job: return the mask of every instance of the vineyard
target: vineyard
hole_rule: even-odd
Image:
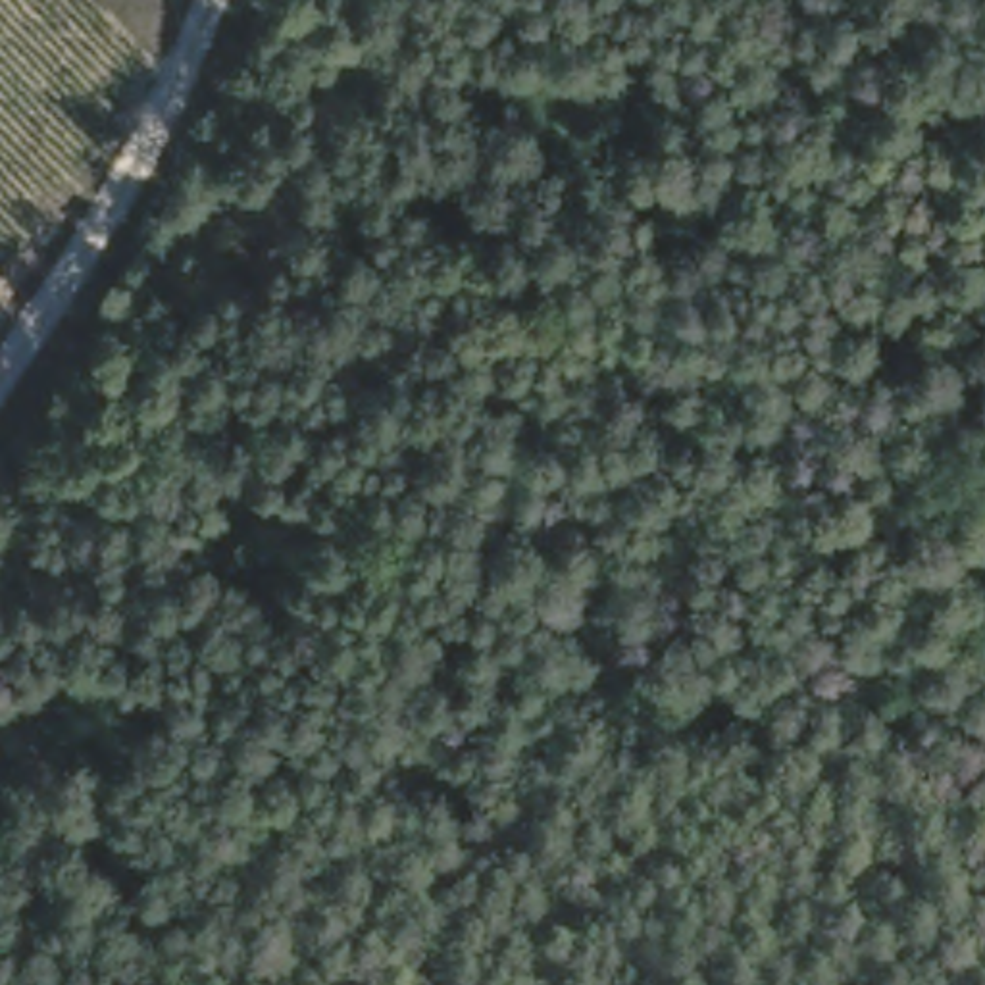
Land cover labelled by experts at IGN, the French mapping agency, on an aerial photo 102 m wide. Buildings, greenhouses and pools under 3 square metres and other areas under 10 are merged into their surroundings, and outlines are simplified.
[[[58,258],[77,239],[77,227],[92,215],[92,204],[81,200],[88,173],[77,165],[81,142],[92,139],[127,146],[127,139],[142,127],[150,92],[158,88],[150,65],[158,50],[173,54],[192,0],[0,0],[0,346],[23,323],[23,308],[35,300],[35,292],[54,273]]]

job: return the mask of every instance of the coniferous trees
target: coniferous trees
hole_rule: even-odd
[[[573,331],[554,354],[539,354],[539,339],[527,339],[519,327],[519,319],[531,319],[539,312],[569,312],[573,319]],[[358,546],[373,543],[377,535],[377,512],[404,519],[419,493],[431,493],[435,504],[450,504],[462,493],[466,469],[508,473],[512,454],[531,458],[539,462],[539,469],[531,477],[519,523],[535,527],[535,558],[523,562],[512,573],[512,581],[493,589],[477,643],[450,643],[442,650],[439,666],[431,669],[431,685],[442,696],[435,716],[412,727],[385,727],[381,739],[369,746],[354,743],[350,766],[358,781],[346,793],[346,808],[319,812],[308,823],[308,835],[296,850],[285,850],[285,839],[277,835],[296,820],[292,804],[281,804],[277,812],[254,812],[254,800],[227,800],[219,820],[235,823],[235,839],[215,843],[215,858],[223,866],[235,862],[235,900],[196,900],[173,908],[162,923],[127,923],[127,935],[135,935],[142,947],[165,943],[169,950],[200,954],[208,985],[985,985],[985,673],[958,673],[943,666],[950,662],[950,650],[966,627],[985,623],[985,469],[966,473],[962,481],[970,504],[977,508],[977,523],[966,535],[966,546],[927,539],[920,527],[908,523],[916,481],[908,473],[923,466],[927,454],[950,454],[962,439],[985,431],[985,0],[227,0],[215,38],[192,77],[189,100],[165,127],[165,146],[158,154],[154,173],[142,177],[127,215],[108,231],[108,246],[100,250],[96,265],[81,277],[81,289],[69,300],[65,316],[42,339],[38,354],[0,404],[0,912],[19,912],[19,935],[12,950],[15,966],[27,966],[38,954],[38,947],[65,927],[65,920],[92,923],[115,897],[123,904],[139,904],[146,897],[142,873],[127,862],[127,854],[112,850],[123,839],[123,823],[112,816],[112,800],[135,777],[139,750],[154,735],[165,735],[173,727],[165,716],[154,712],[162,677],[150,673],[146,658],[139,654],[142,635],[150,631],[150,623],[158,623],[165,604],[192,604],[192,585],[200,577],[215,577],[219,589],[242,593],[273,635],[296,639],[300,619],[292,612],[300,589],[327,573],[323,550],[358,558]]]

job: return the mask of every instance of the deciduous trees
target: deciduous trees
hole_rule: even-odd
[[[519,523],[531,477],[539,469],[539,462],[531,458],[512,454],[508,473],[466,469],[462,493],[450,504],[435,504],[431,493],[419,493],[404,519],[377,512],[377,535],[373,543],[358,546],[358,558],[323,550],[327,573],[300,589],[292,612],[300,619],[296,639],[273,635],[242,593],[219,589],[215,577],[200,577],[192,585],[192,604],[165,604],[158,623],[150,623],[150,631],[142,635],[139,654],[146,658],[150,673],[162,677],[154,712],[165,716],[173,727],[165,735],[154,735],[139,750],[135,777],[112,800],[112,816],[123,823],[123,839],[112,850],[127,854],[127,862],[142,873],[146,897],[139,904],[123,904],[115,897],[92,923],[65,920],[65,927],[38,947],[38,954],[27,966],[15,966],[12,950],[19,935],[19,912],[0,912],[0,985],[208,985],[200,954],[169,950],[165,943],[142,947],[135,935],[127,935],[127,923],[162,923],[173,908],[196,900],[235,900],[235,862],[223,866],[215,858],[215,843],[235,839],[235,823],[219,820],[227,800],[254,800],[254,812],[277,812],[281,804],[292,804],[296,820],[277,835],[285,839],[285,850],[296,850],[308,835],[308,823],[319,812],[346,808],[346,793],[358,781],[350,766],[354,743],[369,746],[381,739],[385,727],[412,727],[435,716],[442,696],[431,685],[431,669],[439,666],[442,650],[450,643],[477,643],[493,589],[512,581],[512,573],[523,562],[535,558],[535,527]]]
[[[966,546],[966,535],[977,523],[977,508],[970,504],[962,481],[966,473],[985,469],[985,431],[962,439],[950,454],[927,454],[923,466],[908,473],[916,481],[908,523],[920,527],[927,539]]]
[[[573,319],[569,312],[539,312],[531,319],[519,319],[519,327],[527,339],[539,339],[539,354],[554,354],[573,331]]]
[[[985,673],[985,623],[966,627],[950,650],[950,662],[943,666],[958,673]]]

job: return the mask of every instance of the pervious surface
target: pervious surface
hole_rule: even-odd
[[[23,323],[0,346],[0,404],[38,354],[42,339],[65,316],[69,300],[81,289],[81,277],[96,265],[100,250],[108,246],[108,231],[127,215],[142,177],[154,173],[158,154],[165,146],[165,127],[189,100],[192,77],[215,38],[227,0],[192,0],[173,54],[158,50],[150,65],[158,88],[150,92],[142,127],[127,139],[127,146],[92,139],[81,142],[77,165],[88,173],[81,200],[92,204],[92,215],[77,227],[77,239],[58,258],[54,273],[35,292],[35,300],[23,308]]]

